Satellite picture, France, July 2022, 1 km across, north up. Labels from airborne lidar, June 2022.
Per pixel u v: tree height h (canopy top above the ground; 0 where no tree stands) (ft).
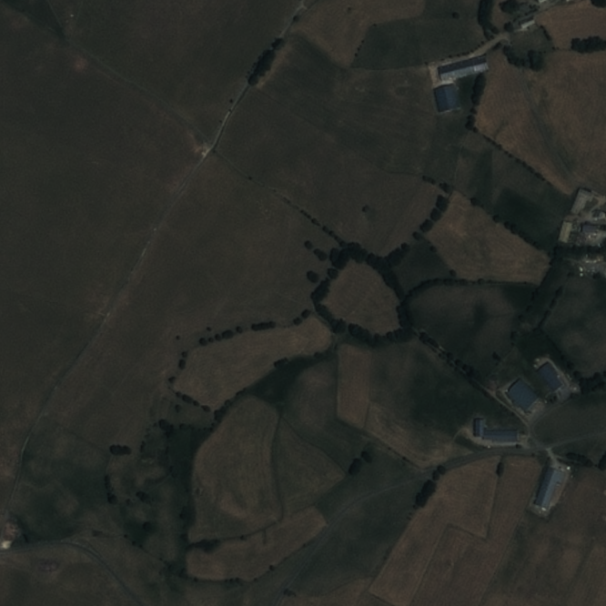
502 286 0
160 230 0
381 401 0
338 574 0
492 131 0
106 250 0
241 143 0
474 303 0
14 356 0
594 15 0
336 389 0
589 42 54
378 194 0
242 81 0
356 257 60
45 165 0
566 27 0
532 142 0
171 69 0
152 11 0
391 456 0
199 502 0
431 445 0
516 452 0
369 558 0
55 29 0
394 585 0
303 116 0
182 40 0
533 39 0
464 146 0
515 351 0
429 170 0
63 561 0
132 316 0
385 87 0
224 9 0
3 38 0
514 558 0
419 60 0
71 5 0
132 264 0
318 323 0
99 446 0
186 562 0
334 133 0
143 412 0
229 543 0
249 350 0
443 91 0
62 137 0
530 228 0
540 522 0
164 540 0
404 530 0
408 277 0
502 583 0
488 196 0
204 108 0
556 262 41
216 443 0
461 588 0
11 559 0
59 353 0
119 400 0
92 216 0
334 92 0
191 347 0
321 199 0
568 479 0
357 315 0
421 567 0
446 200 71
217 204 0
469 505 0
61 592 0
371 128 0
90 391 0
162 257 0
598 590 0
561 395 0
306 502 0
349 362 0
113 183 0
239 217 0
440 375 0
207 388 0
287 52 0
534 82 0
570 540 0
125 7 0
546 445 0
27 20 0
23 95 0
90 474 0
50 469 0
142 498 41
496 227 0
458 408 0
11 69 0
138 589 0
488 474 0
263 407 0
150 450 0
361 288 0
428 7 0
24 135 0
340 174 0
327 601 0
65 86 0
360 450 0
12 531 0
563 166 0
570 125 0
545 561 0
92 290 0
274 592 0
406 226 0
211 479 0
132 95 0
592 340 0
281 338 0
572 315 0
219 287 0
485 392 20
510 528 0
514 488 0
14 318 0
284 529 0
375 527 0
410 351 0
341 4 0
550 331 0
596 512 0
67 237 0
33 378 0
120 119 0
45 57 0
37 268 0
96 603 0
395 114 0
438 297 0
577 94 0
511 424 0
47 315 0
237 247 0
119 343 0
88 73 0
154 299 0
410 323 41
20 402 0
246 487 0
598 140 0
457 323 0
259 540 0
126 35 0
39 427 0
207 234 0
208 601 0
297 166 0
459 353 0
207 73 0
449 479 0
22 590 0
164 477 0
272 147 0
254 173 0
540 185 0
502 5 31
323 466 0
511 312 0
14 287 0
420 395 0
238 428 0
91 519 0
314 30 0
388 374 0
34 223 0
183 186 0
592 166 0
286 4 0
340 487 0
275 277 0
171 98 0
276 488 0
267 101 0
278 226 0
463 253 0
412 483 0
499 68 0
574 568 0
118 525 0
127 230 0
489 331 0
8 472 0
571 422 0
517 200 0
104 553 0
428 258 0
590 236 0
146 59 0
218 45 0
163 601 0
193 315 0
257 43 0
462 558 0
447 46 0
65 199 0
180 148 0
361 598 0
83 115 0
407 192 0
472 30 0
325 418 0
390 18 0
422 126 0
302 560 0
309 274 39
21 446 0
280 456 0
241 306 0
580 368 0
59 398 0
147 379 0
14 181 0
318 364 0
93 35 0
